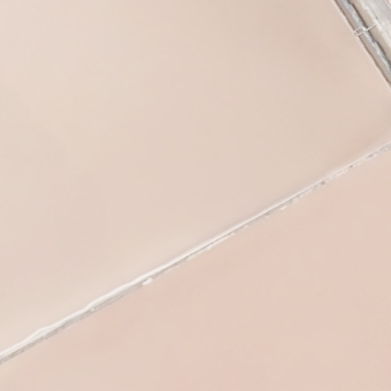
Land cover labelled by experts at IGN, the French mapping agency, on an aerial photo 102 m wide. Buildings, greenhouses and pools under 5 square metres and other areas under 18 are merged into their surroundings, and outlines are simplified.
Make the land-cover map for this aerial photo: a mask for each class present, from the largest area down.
<instances>
[{"label":"water","instance_id":"1","mask_svg":"<svg viewBox=\"0 0 391 391\"><path fill-rule=\"evenodd\" d=\"M391 139V87L333 0H0V351L17 344L38 328L53 324L63 316L81 309L98 296L221 234L240 221L263 211L267 206L286 199L287 195L305 188L319 177L327 176L336 168H341L345 163L357 159ZM34 347L18 354L0 367V391H391V150L377 157L374 162L356 166L338 180L325 182L321 189L313 188L301 202L287 206L286 211L275 212L266 218L260 217L249 223L247 229H237L234 237L217 244L211 250H206L199 257L192 260L185 258L156 273L151 284H136L96 305L95 309L82 313L78 318L64 322L61 327L32 342Z\"/></svg>","mask_w":391,"mask_h":391},{"label":"pervious surface","instance_id":"2","mask_svg":"<svg viewBox=\"0 0 391 391\"><path fill-rule=\"evenodd\" d=\"M391 87V0H333ZM391 150V139L357 159L345 163L341 168H336L327 176L319 177L305 188L287 195L286 199L267 206L263 211L240 221L221 234L98 296L81 309L63 316L53 324L38 328L17 344L0 351V367L18 354L34 347L32 342L61 327L64 322L78 318L82 313L95 309L96 305L136 284H151L156 273L185 258L192 260L199 257L206 250H211L217 244L234 237L237 229H247L249 223L260 217L266 218L275 212L286 211L287 206L301 202L313 188L321 189L325 182L338 180L356 166L374 162L377 157Z\"/></svg>","mask_w":391,"mask_h":391}]
</instances>
